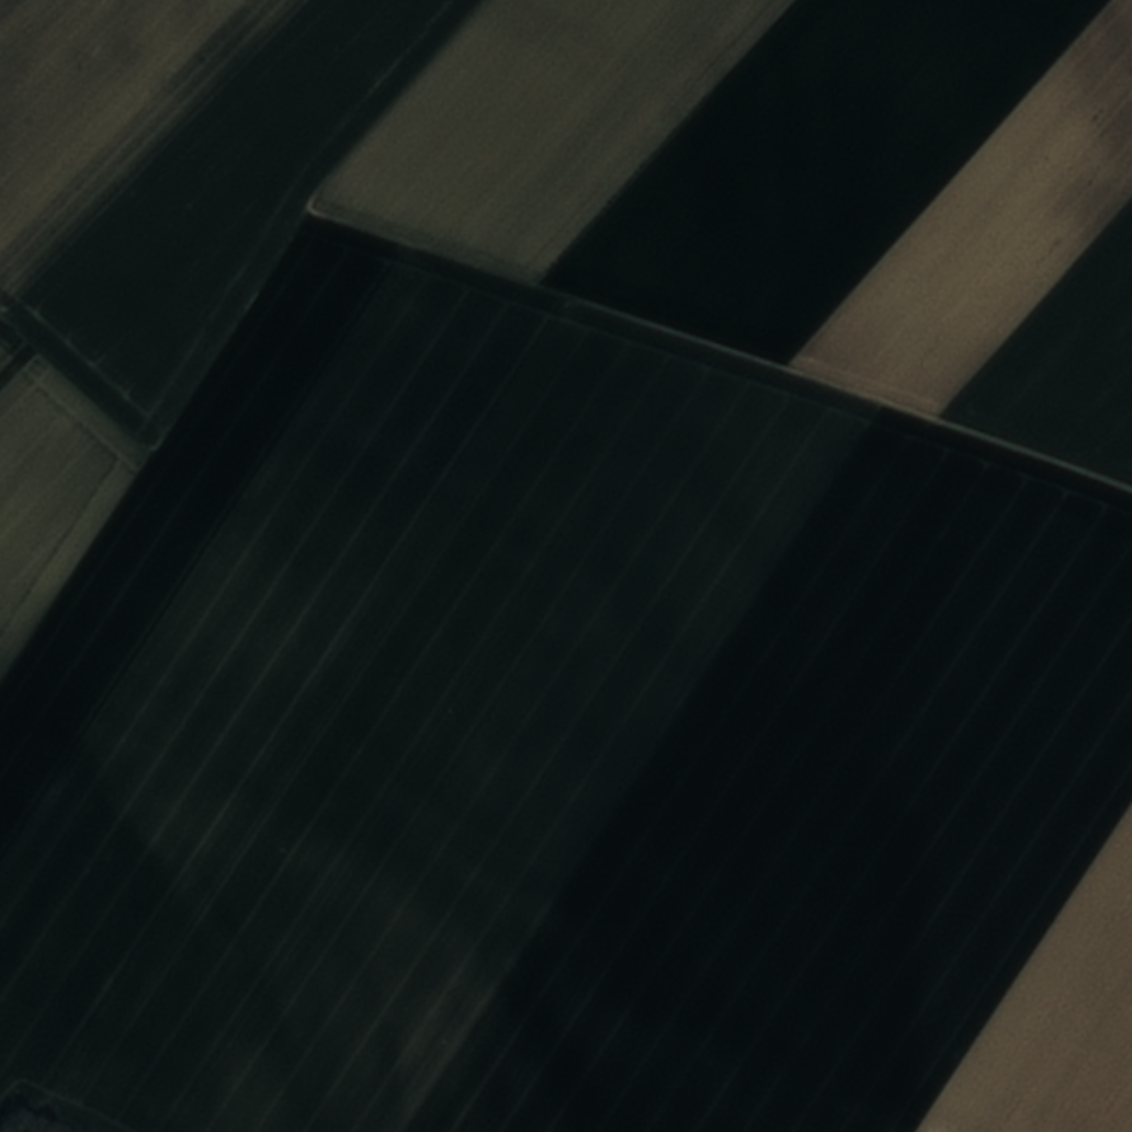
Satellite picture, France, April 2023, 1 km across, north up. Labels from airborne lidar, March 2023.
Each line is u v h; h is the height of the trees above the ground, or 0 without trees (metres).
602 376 0
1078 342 0
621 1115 0
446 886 0
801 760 0
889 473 0
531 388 0
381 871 0
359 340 0
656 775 0
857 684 0
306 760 0
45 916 0
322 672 0
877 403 0
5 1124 11
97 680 0
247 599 0
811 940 0
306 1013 0
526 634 0
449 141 0
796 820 0
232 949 0
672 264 0
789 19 0
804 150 0
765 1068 0
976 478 0
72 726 0
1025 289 0
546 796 0
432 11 0
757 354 0
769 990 0
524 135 0
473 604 0
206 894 0
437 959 0
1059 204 0
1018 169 0
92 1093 0
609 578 0
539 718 0
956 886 0
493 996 0
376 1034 0
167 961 0
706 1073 0
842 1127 0
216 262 0
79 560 0
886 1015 0
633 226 0
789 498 0
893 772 0
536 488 0
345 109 0
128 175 0
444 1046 0
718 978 0
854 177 0
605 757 0
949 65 0
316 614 0
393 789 0
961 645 0
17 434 0
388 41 0
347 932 0
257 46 0
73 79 0
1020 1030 0
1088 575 0
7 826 0
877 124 0
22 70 0
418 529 0
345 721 0
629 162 0
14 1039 0
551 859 0
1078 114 0
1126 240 0
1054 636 0
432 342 0
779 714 0
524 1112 0
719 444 0
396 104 0
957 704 0
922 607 0
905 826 0
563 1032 0
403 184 0
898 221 0
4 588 0
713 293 0
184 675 0
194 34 0
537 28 0
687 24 0
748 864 0
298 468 0
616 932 0
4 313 0
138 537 0
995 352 0
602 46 0
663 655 0
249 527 0
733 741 0
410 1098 0
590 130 0
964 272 0
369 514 0
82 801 0
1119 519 0
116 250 0
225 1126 0
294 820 0
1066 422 0
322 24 0
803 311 0
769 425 0
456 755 0
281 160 0
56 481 0
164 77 0
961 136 0
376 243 0
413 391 0
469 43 0
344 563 0
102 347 0
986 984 0
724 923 0
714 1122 0
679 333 0
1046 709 0
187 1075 0
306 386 0
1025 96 0
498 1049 0
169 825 0
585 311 0
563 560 0
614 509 0
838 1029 0
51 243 0
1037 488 0
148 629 0
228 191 0
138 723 0
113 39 0
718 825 0
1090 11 0
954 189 0
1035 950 0
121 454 0
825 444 0
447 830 0
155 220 0
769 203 0
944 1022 0
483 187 0
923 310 0
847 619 0
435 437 0
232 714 0
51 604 0
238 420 0
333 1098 0
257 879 0
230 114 0
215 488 0
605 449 0
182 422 0
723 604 0
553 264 0
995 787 0
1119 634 0
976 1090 0
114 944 0
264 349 0
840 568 0
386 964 0
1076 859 0
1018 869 0
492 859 0
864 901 0
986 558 0
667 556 0
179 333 0
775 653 0
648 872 0
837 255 0
